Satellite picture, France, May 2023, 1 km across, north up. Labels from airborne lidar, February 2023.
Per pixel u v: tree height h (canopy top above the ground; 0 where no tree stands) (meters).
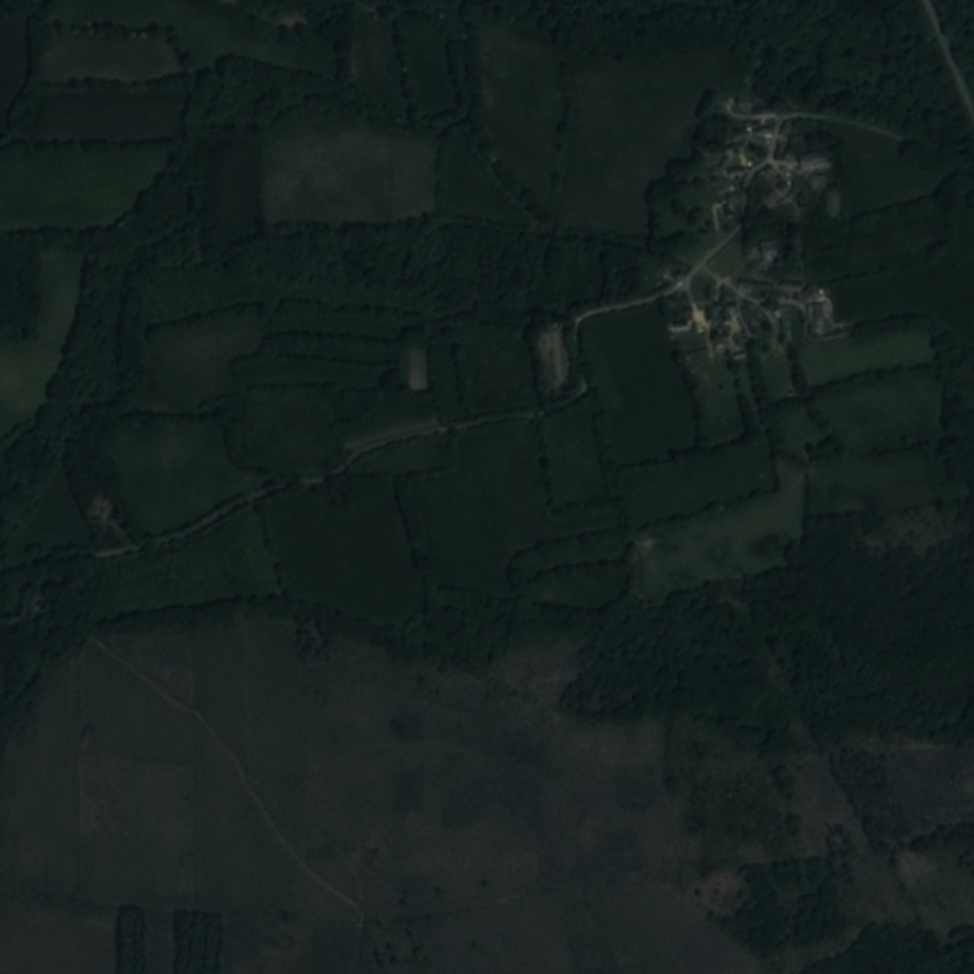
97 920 0
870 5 0
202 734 0
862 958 17
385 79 0
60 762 0
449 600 9
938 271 0
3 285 18
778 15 9
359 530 0
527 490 0
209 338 0
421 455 0
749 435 11
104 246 19
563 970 0
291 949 0
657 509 0
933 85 9
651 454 0
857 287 0
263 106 7
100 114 0
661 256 13
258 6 6
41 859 0
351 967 0
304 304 10
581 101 0
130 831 0
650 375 0
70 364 16
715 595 10
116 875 0
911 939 14
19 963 0
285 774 0
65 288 0
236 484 0
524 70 0
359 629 14
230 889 0
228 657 0
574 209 0
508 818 0
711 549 0
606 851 0
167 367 0
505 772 0
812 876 8
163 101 0
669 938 0
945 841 9
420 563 16
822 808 0
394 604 0
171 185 19
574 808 0
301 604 9
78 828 0
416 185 0
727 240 0
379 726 0
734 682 19
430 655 8
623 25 23
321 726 0
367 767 0
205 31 0
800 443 0
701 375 0
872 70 7
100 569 9
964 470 18
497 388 0
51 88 9
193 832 0
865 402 0
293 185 0
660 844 0
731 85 0
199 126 7
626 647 12
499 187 7
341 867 0
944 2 9
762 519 0
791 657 8
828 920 8
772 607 19
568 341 10
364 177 0
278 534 0
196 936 22
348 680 0
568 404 10
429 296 9
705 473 0
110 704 0
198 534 6
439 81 0
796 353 8
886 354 0
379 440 7
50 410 12
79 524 0
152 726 0
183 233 10
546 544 13
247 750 0
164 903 0
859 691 8
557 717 0
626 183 0
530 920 0
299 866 0
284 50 0
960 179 19
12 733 0
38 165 0
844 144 11
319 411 0
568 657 0
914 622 22
